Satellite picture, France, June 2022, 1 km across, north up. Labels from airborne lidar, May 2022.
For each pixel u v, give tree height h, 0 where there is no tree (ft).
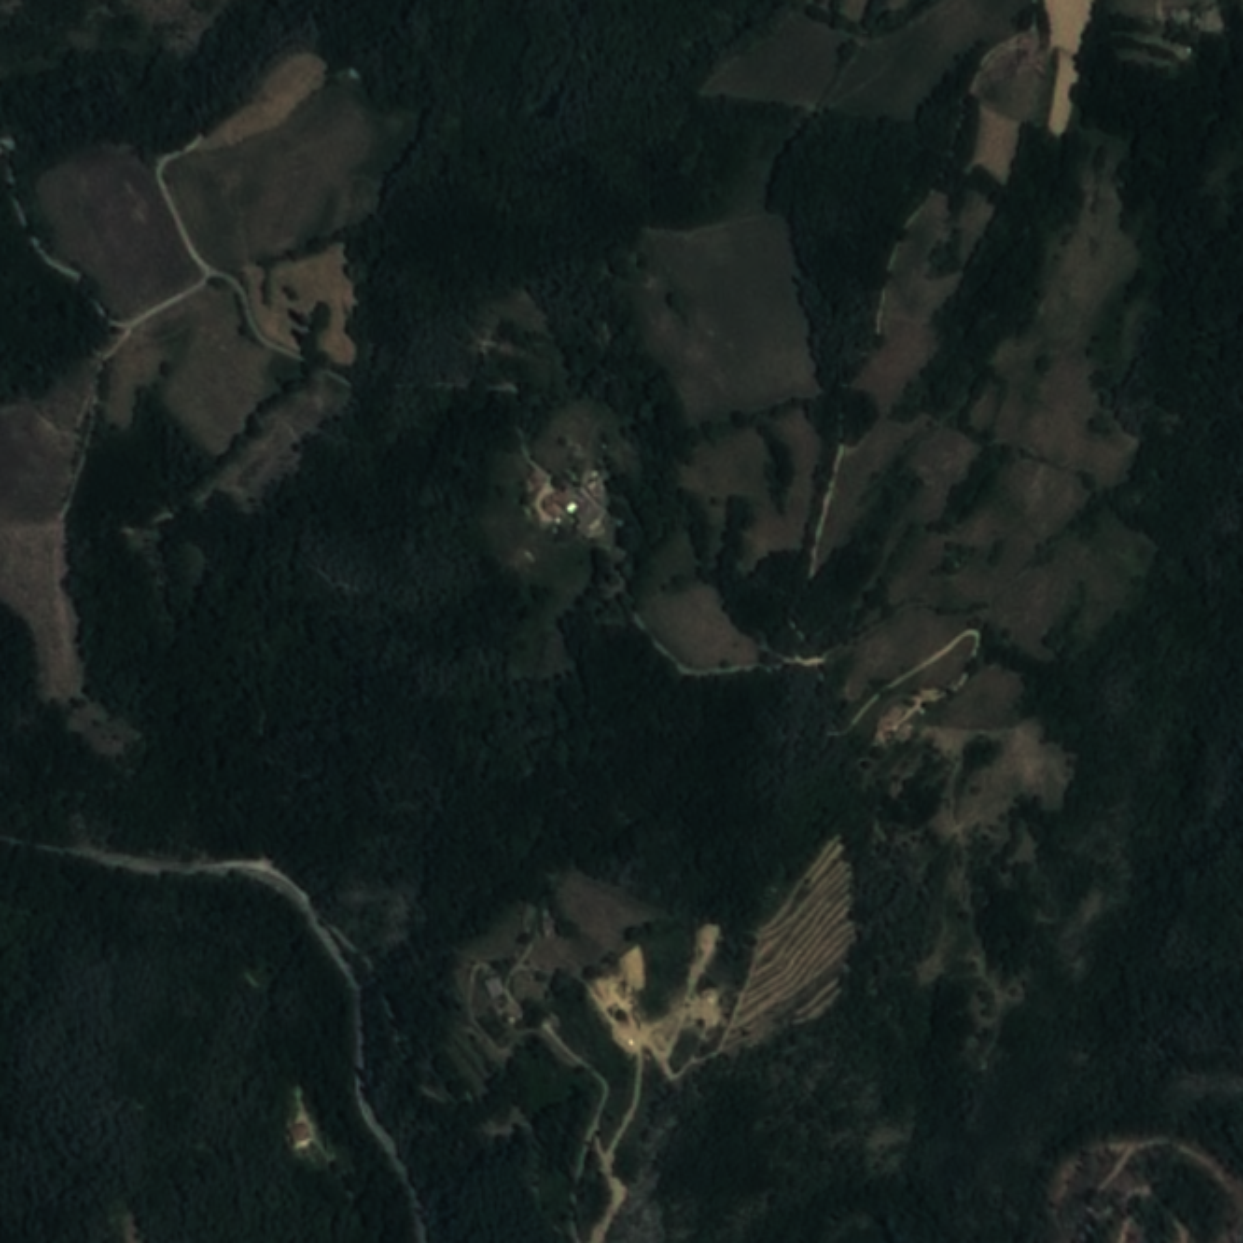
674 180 55
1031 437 0
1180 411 50
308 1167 54
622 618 34
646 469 21
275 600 45
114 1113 40
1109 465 0
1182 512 49
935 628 0
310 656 44
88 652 55
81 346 43
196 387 0
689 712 49
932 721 0
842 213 55
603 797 66
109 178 0
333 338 0
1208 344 62
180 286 0
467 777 55
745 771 34
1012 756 0
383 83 41
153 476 22
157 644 97
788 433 0
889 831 20
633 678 45
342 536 36
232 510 91
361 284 25
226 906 65
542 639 0
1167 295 60
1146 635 20
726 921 40
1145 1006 55
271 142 0
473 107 47
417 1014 58
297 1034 72
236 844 63
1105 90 41
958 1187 46
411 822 51
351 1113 55
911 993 42
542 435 21
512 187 44
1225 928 31
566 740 52
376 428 44
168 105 20
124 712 91
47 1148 43
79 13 41
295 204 0
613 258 64
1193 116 33
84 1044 61
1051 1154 70
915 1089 37
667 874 30
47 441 0
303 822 47
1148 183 41
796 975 0
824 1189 39
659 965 0
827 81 0
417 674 68
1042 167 27
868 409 48
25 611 0
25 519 0
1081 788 32
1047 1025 39
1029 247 57
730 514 21
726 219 0
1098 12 45
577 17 40
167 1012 43
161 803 50
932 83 0
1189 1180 50
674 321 0
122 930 68
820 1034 31
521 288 36
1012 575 0
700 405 0
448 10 44
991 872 31
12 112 26
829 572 45
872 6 36
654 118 74
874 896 37
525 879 70
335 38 36
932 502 0
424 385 39
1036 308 52
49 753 48
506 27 36
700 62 48
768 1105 40
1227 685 79
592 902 0
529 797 54
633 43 45
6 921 66
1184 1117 23
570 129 64
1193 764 25
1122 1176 0
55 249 22
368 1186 70
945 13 0
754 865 35
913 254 0
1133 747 43
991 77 0
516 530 0
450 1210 86
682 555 0
